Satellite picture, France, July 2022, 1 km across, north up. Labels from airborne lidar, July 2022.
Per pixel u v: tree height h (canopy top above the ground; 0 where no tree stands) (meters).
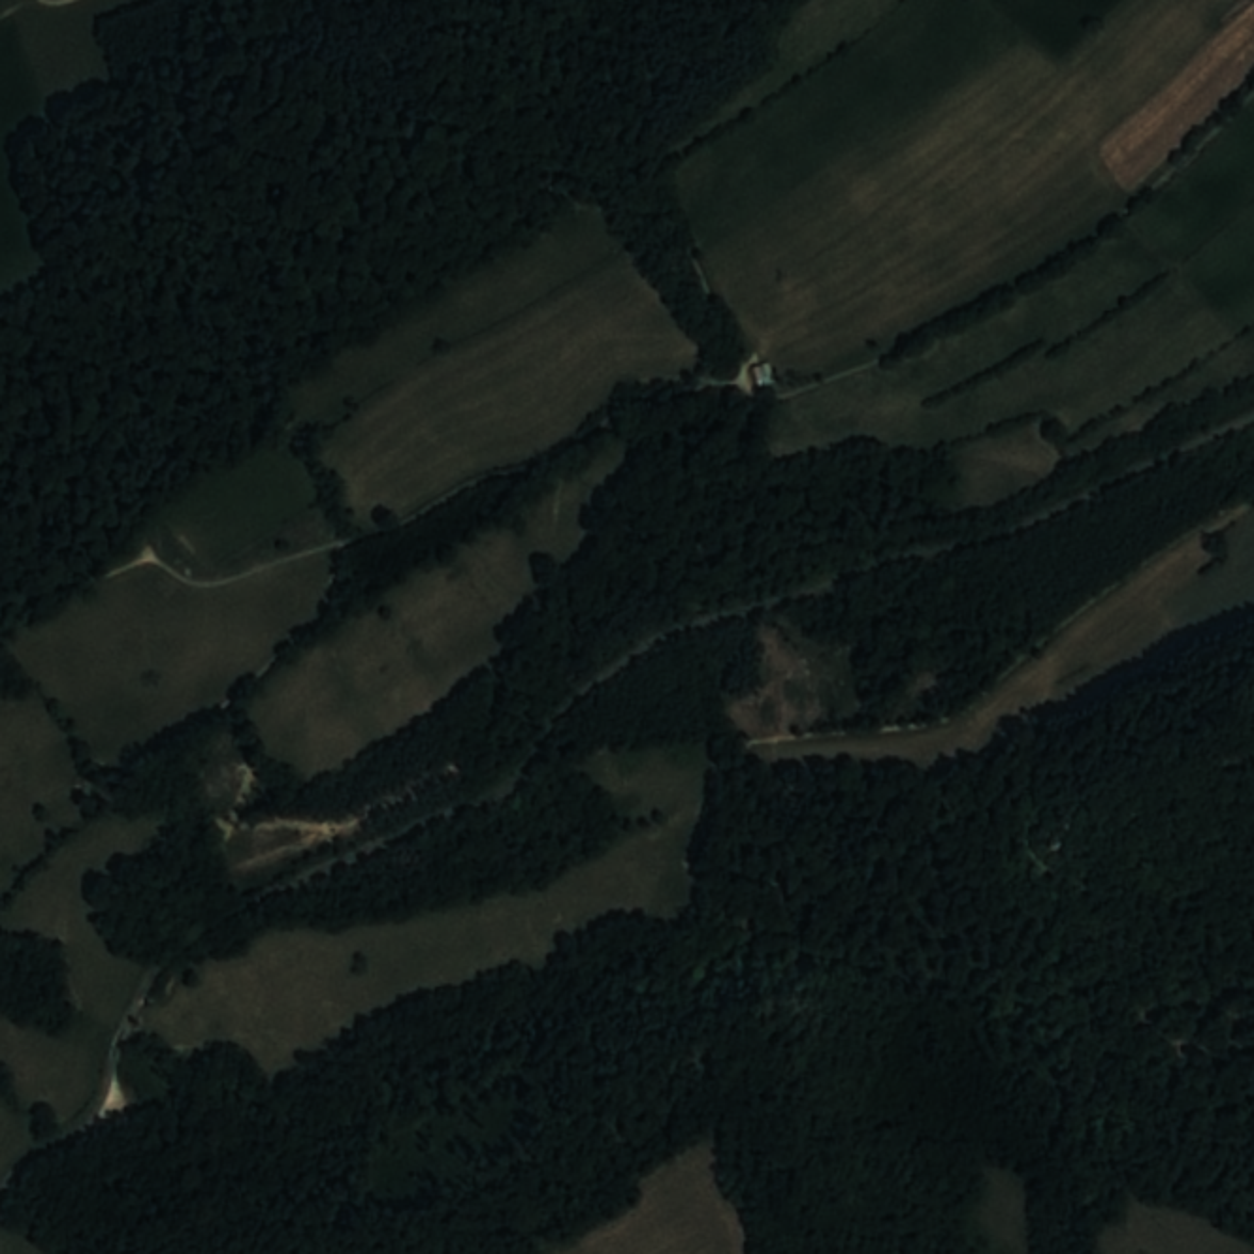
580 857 21
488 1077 28
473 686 20
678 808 0
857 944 33
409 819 21
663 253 23
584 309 0
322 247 32
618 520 30
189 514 0
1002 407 0
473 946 0
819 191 0
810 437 0
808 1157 23
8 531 30
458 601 0
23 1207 24
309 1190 26
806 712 0
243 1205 28
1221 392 13
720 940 32
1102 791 19
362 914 24
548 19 29
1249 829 20
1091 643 0
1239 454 10
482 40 28
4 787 0
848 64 0
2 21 0
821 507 29
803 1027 24
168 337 29
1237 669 24
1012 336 0
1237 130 0
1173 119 0
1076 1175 28
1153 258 0
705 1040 17
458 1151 0
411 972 0
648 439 15
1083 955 25
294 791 15
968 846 28
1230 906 25
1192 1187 21
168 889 26
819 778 28
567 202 23
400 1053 32
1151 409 0
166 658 0
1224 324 0
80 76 0
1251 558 0
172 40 13
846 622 20
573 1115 17
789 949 36
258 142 35
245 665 0
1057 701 0
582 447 20
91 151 36
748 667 24
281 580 0
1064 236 0
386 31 29
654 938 33
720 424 12
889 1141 24
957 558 18
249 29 29
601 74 27
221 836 21
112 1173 30
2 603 27
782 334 0
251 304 31
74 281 27
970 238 0
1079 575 18
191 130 34
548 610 23
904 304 0
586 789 15
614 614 29
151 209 27
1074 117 0
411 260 32
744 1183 21
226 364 31
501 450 0
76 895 0
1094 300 0
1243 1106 16
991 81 0
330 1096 30
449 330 0
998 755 25
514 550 0
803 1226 26
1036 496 18
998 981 28
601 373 0
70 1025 18
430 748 23
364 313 34
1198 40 0
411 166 31
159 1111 23
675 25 31
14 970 22
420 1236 23
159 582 0
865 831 29
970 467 0
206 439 26
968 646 16
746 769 25
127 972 0
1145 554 13
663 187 22
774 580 23
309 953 0
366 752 8
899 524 28
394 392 0
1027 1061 34
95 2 0
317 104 31
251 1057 15
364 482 0
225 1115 24
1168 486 15
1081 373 0
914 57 0
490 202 31
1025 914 17
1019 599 20
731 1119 24
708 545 30
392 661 0
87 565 24
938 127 0
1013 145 0
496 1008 26
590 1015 31
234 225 35
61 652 0
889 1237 28
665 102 24
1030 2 0
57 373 26
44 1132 20
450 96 28
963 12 0
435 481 0
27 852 0
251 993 0
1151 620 0
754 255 0
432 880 23
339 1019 0
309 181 34
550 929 0
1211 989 29
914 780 25
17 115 0
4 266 0
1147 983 22
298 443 14
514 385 0
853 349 0
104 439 31
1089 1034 26
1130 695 28
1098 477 15
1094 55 0
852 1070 24
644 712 19
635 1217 0
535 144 30
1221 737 20
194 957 20
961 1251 13
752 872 35
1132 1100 25
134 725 0
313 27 28
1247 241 0
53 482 29
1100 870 19
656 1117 28
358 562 10
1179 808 18
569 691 18
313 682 0
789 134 0
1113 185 0
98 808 25
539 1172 20
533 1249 28
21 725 0
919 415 0
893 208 0
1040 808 10
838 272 0
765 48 17
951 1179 24
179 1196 24
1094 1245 19
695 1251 0
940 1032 9
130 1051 13
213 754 0
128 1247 28
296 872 8
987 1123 14
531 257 0
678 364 0
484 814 22
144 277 31
